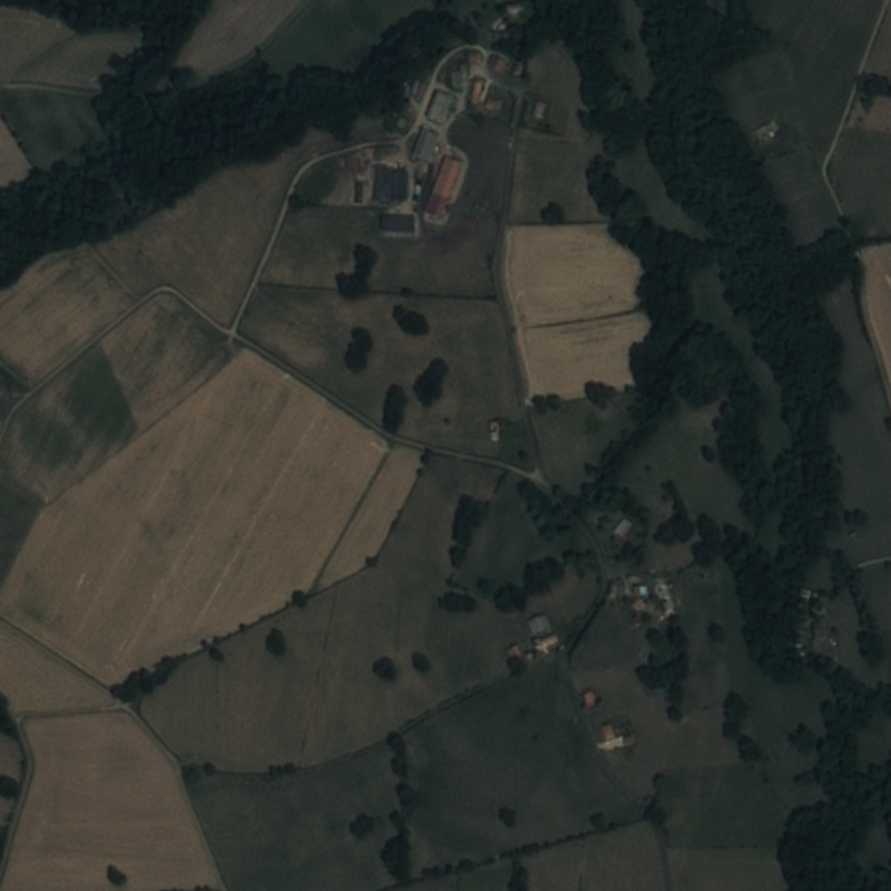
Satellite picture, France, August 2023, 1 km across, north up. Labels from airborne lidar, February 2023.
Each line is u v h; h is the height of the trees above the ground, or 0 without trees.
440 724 0
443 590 0
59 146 0
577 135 0
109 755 0
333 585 0
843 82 0
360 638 0
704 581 0
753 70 0
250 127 23
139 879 0
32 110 0
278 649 18
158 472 0
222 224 0
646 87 0
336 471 0
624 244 20
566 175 0
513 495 0
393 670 13
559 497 15
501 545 0
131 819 0
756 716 0
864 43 0
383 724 0
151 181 29
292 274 0
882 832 0
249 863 0
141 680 12
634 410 6
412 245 0
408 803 13
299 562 0
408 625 0
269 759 0
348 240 0
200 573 0
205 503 0
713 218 9
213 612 0
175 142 29
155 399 0
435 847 0
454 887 0
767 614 20
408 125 0
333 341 0
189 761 0
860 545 0
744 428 27
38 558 0
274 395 0
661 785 12
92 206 12
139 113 25
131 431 0
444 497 0
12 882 0
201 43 0
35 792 0
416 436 0
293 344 0
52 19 25
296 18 0
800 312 21
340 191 0
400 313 13
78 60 0
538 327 0
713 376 22
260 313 0
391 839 0
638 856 0
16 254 21
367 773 0
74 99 0
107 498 0
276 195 0
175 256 0
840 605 0
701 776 0
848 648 0
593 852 0
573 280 0
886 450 0
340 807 0
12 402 0
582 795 0
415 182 0
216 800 0
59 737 0
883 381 0
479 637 0
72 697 0
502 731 0
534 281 0
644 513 7
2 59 0
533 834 0
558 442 0
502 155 0
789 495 21
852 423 0
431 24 14
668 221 0
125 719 0
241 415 0
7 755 0
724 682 0
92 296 0
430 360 0
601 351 0
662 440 0
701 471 0
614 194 26
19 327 0
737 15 19
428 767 0
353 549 0
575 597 0
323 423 0
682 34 24
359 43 0
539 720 0
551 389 0
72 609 0
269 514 0
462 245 0
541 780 0
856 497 0
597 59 28
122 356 0
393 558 0
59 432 0
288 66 0
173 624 0
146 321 0
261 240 0
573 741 0
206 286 0
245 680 0
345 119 22
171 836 0
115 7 9
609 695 0
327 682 0
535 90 0
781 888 0
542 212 0
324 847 0
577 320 0
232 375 0
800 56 0
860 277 17
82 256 0
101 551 0
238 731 0
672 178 10
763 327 8
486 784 0
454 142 0
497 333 0
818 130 0
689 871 0
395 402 19
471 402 0
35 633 0
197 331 0
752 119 0
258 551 0
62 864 0
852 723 16
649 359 21
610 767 0
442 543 0
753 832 0
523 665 15
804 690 0
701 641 0
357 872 0
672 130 13
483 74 0
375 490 0
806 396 18
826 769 14
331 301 0
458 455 0
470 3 0
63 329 0
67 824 0
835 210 0
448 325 0
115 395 0
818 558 15
